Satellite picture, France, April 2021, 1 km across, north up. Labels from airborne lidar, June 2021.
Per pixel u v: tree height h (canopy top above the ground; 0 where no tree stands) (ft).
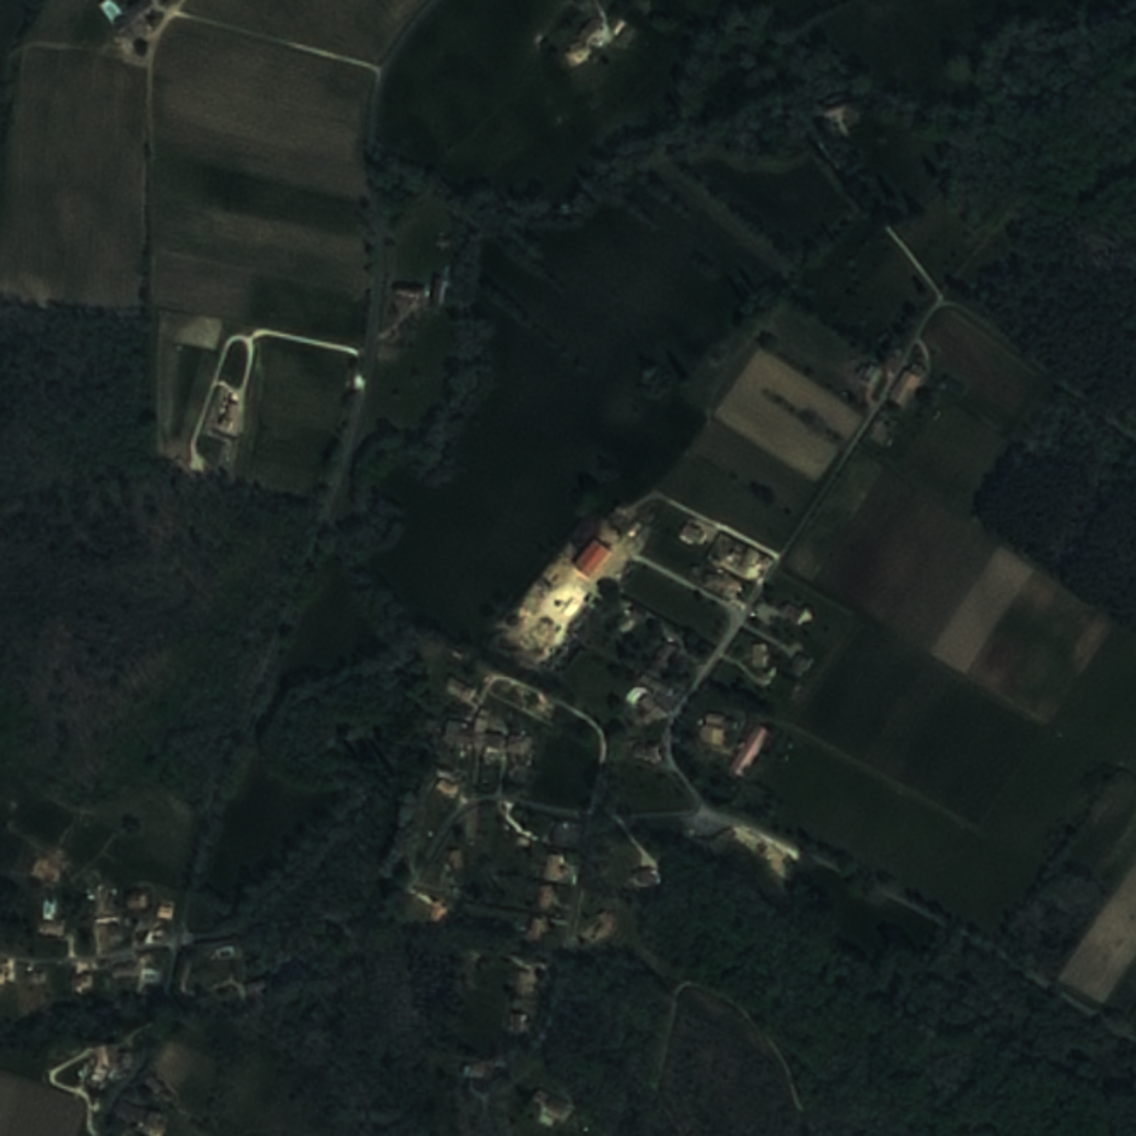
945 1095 79
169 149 0
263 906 64
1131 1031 44
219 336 0
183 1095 0
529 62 0
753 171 0
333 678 35
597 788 64
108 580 26
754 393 0
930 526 0
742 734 21
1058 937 41
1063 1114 75
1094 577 80
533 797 0
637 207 60
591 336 0
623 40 0
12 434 44
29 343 71
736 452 0
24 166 0
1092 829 0
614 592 51
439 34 0
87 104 0
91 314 44
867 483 0
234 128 0
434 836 0
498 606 35
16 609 31
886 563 0
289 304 0
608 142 0
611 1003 74
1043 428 54
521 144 0
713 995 25
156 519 76
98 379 60
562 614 0
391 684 66
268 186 0
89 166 0
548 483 0
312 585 62
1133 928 0
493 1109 62
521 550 0
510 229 72
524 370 0
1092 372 77
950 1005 69
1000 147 81
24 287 0
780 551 0
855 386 0
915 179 0
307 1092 60
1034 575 0
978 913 0
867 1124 64
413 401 0
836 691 0
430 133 0
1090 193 26
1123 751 0
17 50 0
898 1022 73
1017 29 80
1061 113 87
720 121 70
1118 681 0
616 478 36
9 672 48
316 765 57
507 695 0
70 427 55
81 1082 0
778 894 0
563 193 0
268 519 75
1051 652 0
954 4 0
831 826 0
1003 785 0
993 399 0
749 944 62
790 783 0
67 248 0
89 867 0
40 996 0
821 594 0
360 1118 68
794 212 0
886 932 0
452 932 69
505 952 73
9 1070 0
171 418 0
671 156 43
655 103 0
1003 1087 83
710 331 0
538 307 0
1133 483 79
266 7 0
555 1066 77
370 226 56
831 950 79
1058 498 71
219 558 42
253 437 0
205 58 0
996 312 74
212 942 17
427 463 62
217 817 35
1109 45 82
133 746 46
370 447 43
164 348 0
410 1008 102
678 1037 31
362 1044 91
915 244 0
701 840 0
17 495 48
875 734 0
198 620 47
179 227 0
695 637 41
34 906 0
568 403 0
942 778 0
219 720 36
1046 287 50
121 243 0
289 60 0
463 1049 54
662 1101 37
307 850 51
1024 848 0
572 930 0
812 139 29
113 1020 73
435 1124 86
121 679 40
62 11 0
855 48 0
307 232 0
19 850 0
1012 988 71
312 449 0
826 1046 86
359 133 0
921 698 0
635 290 0
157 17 20
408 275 0
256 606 29
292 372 0
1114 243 62
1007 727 0
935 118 58
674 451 0
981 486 0
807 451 0
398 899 71
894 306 0
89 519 72
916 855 0
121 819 0
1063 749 0
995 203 56
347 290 0
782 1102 27
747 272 0
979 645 0
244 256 0
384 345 0
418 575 0
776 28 61
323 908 82
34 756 44
